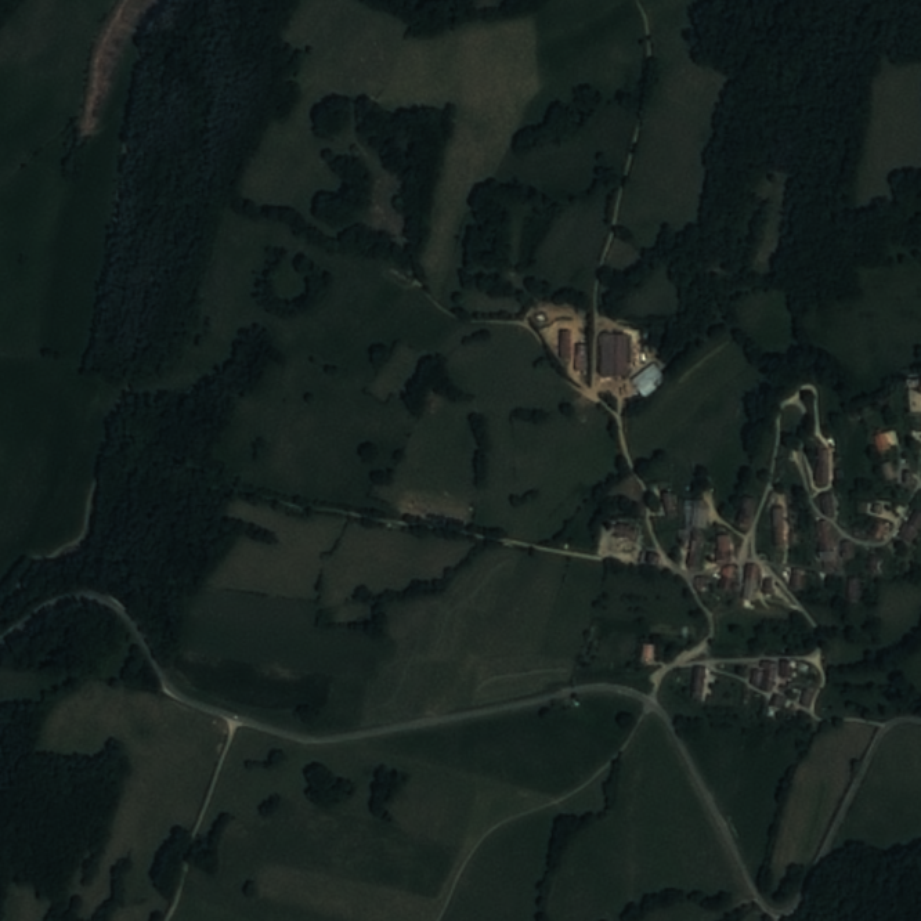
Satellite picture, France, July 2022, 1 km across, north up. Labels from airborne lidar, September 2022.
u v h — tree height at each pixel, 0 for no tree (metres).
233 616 0
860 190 0
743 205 7
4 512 0
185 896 0
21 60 0
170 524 14
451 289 0
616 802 8
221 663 0
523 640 0
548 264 0
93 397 0
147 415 16
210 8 29
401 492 0
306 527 0
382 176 0
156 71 21
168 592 21
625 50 0
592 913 0
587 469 0
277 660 0
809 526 8
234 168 16
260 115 13
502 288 17
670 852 0
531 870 0
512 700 0
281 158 0
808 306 21
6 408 0
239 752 0
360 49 0
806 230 17
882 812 0
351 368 0
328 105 17
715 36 20
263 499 7
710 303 12
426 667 0
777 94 17
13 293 0
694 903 8
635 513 15
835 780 0
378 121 17
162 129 22
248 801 0
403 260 15
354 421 0
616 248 0
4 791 18
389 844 0
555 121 17
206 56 19
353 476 0
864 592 8
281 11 16
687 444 0
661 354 11
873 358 0
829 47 19
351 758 0
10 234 0
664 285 0
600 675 0
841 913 14
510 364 0
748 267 11
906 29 16
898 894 17
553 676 0
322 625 7
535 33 0
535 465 0
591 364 7
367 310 0
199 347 12
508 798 0
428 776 0
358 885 0
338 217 14
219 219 12
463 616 0
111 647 18
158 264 16
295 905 0
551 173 0
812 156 17
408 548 0
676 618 0
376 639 13
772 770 0
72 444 0
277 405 0
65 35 0
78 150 11
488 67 0
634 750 0
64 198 0
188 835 16
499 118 0
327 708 0
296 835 0
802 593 7
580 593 0
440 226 0
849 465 0
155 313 21
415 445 0
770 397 22
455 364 0
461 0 16
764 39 16
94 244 0
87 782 14
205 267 11
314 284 16
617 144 0
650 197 0
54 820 22
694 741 9
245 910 0
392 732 0
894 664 21
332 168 11
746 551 0
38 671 16
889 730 0
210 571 17
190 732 0
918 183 24
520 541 0
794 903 0
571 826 16
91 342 6
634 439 0
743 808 0
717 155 17
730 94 16
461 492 0
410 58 0
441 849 0
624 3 0
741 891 0
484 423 11
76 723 0
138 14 0
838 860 21
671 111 0
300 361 0
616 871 0
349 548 0
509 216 15
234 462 0
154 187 16
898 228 21
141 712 0
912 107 0
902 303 0
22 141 0
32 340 0
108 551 20
